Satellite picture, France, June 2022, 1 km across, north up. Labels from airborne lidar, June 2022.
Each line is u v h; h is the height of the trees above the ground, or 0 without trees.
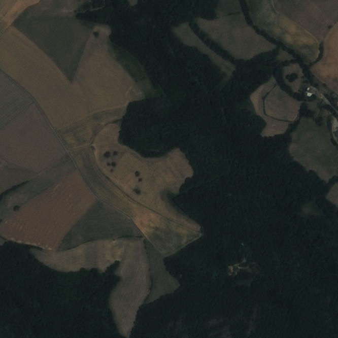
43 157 0
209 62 12
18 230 0
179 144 18
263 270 9
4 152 0
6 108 0
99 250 0
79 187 0
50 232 0
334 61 0
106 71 0
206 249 9
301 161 0
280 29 0
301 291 16
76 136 0
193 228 0
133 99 0
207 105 16
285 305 7
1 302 16
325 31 0
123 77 0
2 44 0
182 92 12
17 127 0
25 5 0
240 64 17
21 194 0
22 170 0
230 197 25
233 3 0
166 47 22
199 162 20
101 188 0
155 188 0
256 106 0
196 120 12
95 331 10
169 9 34
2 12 0
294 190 26
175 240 0
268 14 0
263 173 31
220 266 17
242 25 0
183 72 16
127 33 13
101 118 0
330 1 0
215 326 12
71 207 0
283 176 19
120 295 0
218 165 21
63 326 13
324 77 0
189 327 17
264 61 13
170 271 18
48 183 0
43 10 0
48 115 0
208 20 10
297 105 0
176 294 15
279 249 26
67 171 0
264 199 21
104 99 0
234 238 14
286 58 0
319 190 17
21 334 14
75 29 0
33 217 0
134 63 0
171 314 19
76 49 0
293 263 20
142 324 14
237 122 17
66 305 6
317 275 24
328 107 15
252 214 21
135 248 0
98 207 0
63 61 0
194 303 19
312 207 0
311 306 18
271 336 11
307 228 27
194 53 18
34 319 12
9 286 14
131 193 0
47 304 11
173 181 0
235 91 27
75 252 0
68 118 0
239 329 20
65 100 0
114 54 0
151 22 12
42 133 0
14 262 7
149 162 0
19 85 0
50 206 0
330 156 0
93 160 0
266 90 0
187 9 24
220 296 15
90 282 18
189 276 16
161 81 14
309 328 19
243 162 26
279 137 19
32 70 0
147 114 16
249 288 17
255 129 9
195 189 22
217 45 12
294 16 0
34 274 11
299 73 0
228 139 29
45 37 0
